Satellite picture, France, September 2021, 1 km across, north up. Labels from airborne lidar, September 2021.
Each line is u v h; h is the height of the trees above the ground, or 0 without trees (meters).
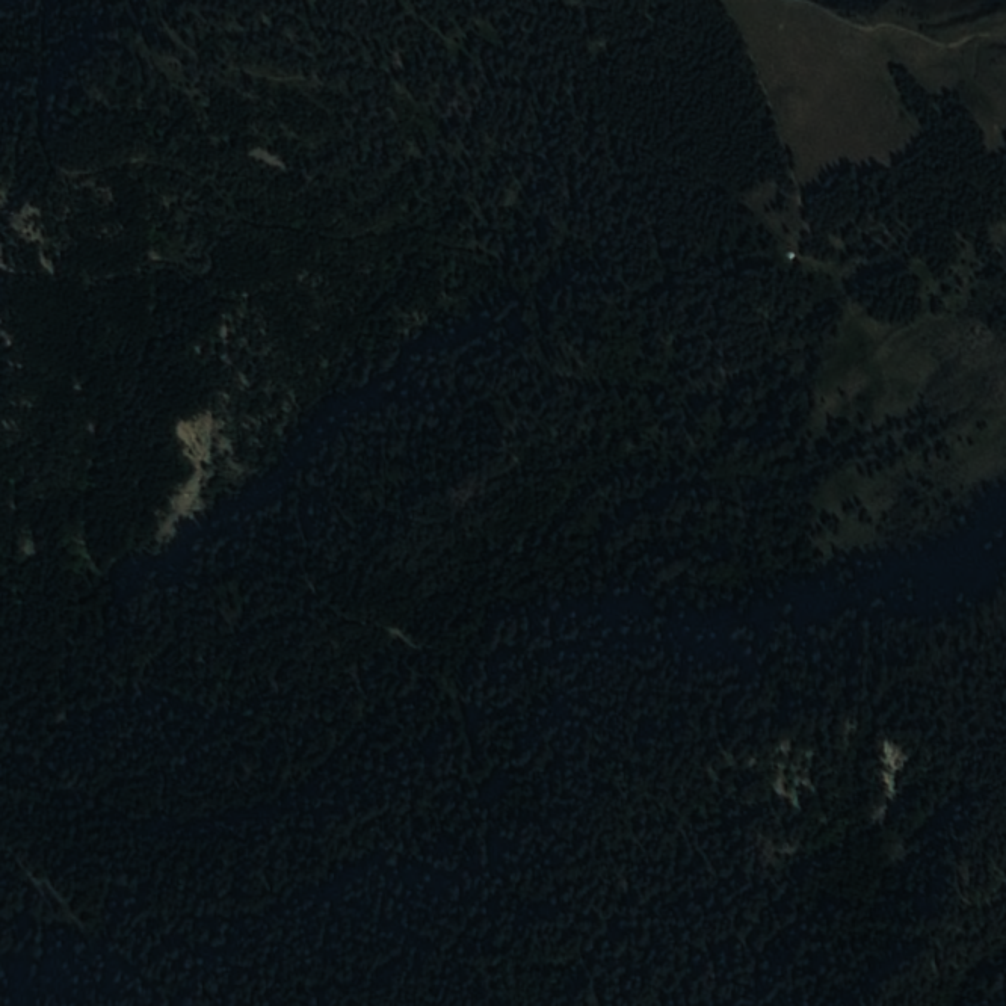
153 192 9
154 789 26
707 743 9
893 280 12
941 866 23
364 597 15
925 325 0
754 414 6
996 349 0
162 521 7
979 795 6
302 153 12
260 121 8
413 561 21
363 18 23
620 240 30
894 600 9
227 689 17
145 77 25
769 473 7
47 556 17
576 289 28
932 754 24
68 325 15
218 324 16
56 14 11
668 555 16
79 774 28
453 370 25
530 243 12
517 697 37
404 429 29
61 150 16
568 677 34
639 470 7
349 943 25
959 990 14
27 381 20
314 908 28
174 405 21
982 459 0
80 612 17
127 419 6
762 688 15
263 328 7
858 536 0
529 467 13
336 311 15
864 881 13
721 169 20
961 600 9
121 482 21
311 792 8
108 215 8
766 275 16
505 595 17
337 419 33
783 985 35
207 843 27
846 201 21
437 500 28
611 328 10
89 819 15
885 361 0
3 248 9
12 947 23
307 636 20
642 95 22
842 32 0
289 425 14
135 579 20
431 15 26
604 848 27
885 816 0
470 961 21
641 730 11
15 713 14
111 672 27
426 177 28
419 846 21
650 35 7
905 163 15
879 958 14
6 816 24
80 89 20
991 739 9
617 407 13
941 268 11
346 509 13
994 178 14
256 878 29
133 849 20
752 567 13
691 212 26
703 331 28
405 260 6
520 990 15
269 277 12
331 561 31
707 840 26
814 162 0
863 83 0
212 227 16
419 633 16
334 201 11
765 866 31
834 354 0
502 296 7
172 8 7
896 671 10
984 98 0
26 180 15
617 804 27
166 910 31
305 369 10
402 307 8
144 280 13
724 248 18
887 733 13
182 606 21
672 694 25
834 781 10
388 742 26
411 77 18
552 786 33
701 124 20
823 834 15
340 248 7
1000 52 0
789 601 13
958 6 0
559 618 16
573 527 20
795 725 25
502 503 17
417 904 33
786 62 0
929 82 0
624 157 23
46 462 23
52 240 12
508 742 20
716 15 17
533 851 18
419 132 8
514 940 17
